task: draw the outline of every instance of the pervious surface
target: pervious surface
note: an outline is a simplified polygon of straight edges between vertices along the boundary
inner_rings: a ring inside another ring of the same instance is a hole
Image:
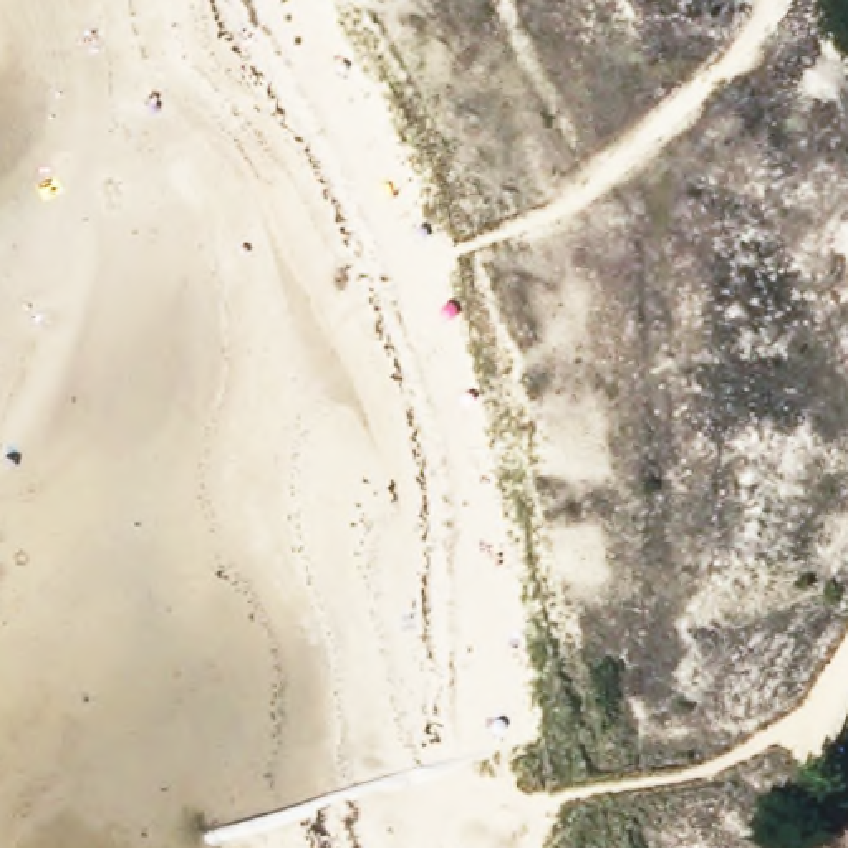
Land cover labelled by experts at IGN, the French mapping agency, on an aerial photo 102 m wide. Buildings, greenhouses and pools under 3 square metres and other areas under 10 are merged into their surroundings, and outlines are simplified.
[[[530,36],[520,30],[513,0],[494,0],[513,43],[513,53],[527,73],[537,70],[540,60]]]
[[[848,653],[835,653],[831,666],[822,672],[818,686],[798,712],[792,712],[778,725],[765,729],[762,735],[749,739],[745,745],[719,759],[679,772],[590,782],[553,792],[557,805],[563,808],[566,802],[593,795],[716,778],[735,762],[745,762],[772,745],[785,745],[795,759],[805,762],[812,759],[822,755],[825,742],[831,742],[845,729],[848,719]]]
[[[576,172],[576,179],[563,189],[563,195],[553,205],[530,212],[517,222],[507,222],[494,232],[484,232],[470,242],[454,242],[457,258],[474,258],[477,295],[490,321],[487,331],[467,328],[467,345],[497,338],[497,374],[477,374],[470,388],[470,398],[477,398],[490,417],[490,457],[497,460],[497,470],[560,477],[570,480],[576,494],[600,487],[613,470],[606,447],[603,394],[590,391],[576,404],[563,394],[527,394],[523,351],[507,331],[500,301],[487,275],[490,245],[540,242],[550,232],[576,229],[576,212],[616,182],[629,179],[639,166],[646,166],[649,156],[656,156],[676,133],[682,133],[699,116],[699,106],[709,96],[722,80],[732,80],[759,63],[762,43],[775,33],[792,0],[752,0],[749,20],[739,27],[735,43],[722,56],[709,56],[709,63],[696,70],[696,76],[686,86],[679,86],[663,106],[656,106],[633,133],[626,133],[613,149],[600,152],[583,172]]]

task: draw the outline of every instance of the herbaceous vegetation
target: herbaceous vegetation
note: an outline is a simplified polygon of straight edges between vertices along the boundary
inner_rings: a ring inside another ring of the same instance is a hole
[[[848,172],[848,89],[838,99],[815,99],[798,89],[805,70],[818,63],[822,43],[831,40],[818,27],[818,0],[792,0],[775,33],[762,43],[759,63],[732,80],[722,80],[709,96],[729,116],[735,116],[749,136],[769,139],[769,169],[782,169],[785,176],[805,179],[808,166],[825,159],[838,162]]]
[[[722,56],[706,33],[712,23],[732,27],[732,20],[739,17],[735,0],[629,0],[639,10],[639,40],[649,46],[646,60],[656,66],[666,60],[679,60],[696,70],[709,63],[709,56]]]

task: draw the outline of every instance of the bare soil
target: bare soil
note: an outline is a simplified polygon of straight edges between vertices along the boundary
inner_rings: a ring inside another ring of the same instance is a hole
[[[822,43],[818,63],[805,70],[798,89],[815,99],[838,99],[848,89],[848,56],[831,40]]]
[[[822,755],[812,759],[822,769],[822,775],[848,778],[848,719],[845,729],[831,742],[825,742]]]
[[[560,477],[497,470],[497,460],[490,457],[490,417],[477,398],[470,398],[470,388],[477,374],[497,374],[497,338],[467,345],[467,328],[487,331],[490,321],[477,295],[474,258],[457,258],[454,242],[470,242],[484,232],[494,232],[507,222],[517,222],[530,212],[553,205],[563,195],[563,189],[576,179],[576,172],[583,172],[600,152],[613,149],[626,133],[633,133],[656,106],[663,106],[679,86],[686,86],[696,76],[696,70],[679,60],[666,60],[656,66],[646,60],[649,46],[639,40],[639,10],[629,0],[513,0],[520,30],[530,36],[540,60],[537,70],[527,73],[513,53],[513,43],[494,0],[0,0],[0,848],[755,848],[749,825],[759,812],[759,795],[775,785],[795,782],[805,762],[795,759],[785,745],[772,745],[745,762],[735,762],[716,778],[593,795],[566,802],[563,808],[557,805],[553,792],[590,782],[679,772],[719,759],[745,745],[749,739],[762,735],[765,729],[778,725],[792,712],[798,712],[818,686],[822,672],[831,666],[835,653],[848,653],[848,172],[838,162],[825,159],[808,166],[805,179],[785,176],[782,169],[769,169],[769,139],[749,136],[735,116],[729,116],[709,96],[699,106],[699,116],[682,133],[676,133],[656,156],[649,156],[646,166],[639,166],[629,179],[616,182],[576,212],[576,229],[550,232],[540,242],[490,245],[487,275],[500,301],[507,331],[523,351],[527,394],[563,394],[576,404],[590,391],[603,394],[606,447],[613,470],[600,487],[576,494],[570,480]]]
[[[749,20],[752,0],[735,0],[739,17],[732,20],[732,27],[712,23],[706,33],[722,56],[735,43],[739,27]]]

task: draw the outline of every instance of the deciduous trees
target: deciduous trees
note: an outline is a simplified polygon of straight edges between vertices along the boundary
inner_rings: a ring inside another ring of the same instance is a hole
[[[822,775],[822,769],[812,759],[805,762],[795,782],[775,785],[759,795],[759,812],[749,825],[755,848],[848,848],[848,778]]]
[[[818,27],[831,40],[848,56],[848,0],[818,0]]]

